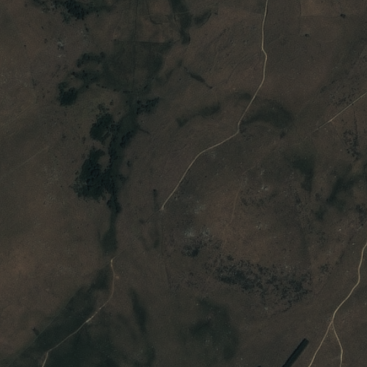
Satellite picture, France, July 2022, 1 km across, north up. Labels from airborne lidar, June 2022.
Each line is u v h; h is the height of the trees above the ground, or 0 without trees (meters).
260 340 0
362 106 0
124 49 0
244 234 0
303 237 0
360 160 0
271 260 0
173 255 0
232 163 0
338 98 0
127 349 0
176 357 0
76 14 16
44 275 0
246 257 0
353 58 0
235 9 0
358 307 0
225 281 0
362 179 0
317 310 0
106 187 12
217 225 0
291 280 0
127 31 0
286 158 0
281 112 0
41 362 0
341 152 0
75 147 0
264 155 0
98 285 0
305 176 0
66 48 0
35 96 0
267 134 0
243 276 0
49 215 0
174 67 0
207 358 0
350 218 0
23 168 0
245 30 0
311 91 0
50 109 0
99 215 0
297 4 0
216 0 0
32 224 0
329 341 0
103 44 0
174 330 0
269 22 0
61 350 0
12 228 0
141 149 0
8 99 0
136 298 0
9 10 0
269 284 0
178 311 0
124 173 0
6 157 0
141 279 0
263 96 0
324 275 0
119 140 0
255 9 0
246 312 0
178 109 0
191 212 0
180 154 0
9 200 0
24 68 0
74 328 0
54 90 0
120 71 0
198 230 0
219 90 0
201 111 0
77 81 0
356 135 0
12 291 0
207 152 0
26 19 0
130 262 0
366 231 0
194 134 0
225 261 0
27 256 0
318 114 0
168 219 0
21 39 0
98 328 0
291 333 0
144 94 0
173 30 0
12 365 0
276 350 0
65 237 0
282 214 0
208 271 0
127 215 0
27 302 0
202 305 0
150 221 0
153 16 0
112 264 0
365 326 0
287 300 0
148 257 0
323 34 0
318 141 0
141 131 0
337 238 0
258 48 0
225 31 0
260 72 0
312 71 0
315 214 0
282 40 0
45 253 0
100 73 0
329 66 0
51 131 0
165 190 0
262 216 0
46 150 0
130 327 0
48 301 0
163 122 0
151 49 0
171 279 0
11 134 0
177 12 0
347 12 0
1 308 0
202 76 0
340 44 0
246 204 0
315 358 0
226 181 0
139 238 0
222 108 0
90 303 0
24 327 0
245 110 0
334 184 0
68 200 0
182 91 0
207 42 0
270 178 0
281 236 0
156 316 0
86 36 0
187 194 0
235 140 0
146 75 0
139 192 0
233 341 0
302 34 0
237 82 0
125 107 0
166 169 0
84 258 0
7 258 0
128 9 0
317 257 0
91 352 0
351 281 0
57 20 0
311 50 0
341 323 0
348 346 0
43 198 0
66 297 0
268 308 0
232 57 0
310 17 0
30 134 0
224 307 0
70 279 0
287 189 0
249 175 0
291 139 0
